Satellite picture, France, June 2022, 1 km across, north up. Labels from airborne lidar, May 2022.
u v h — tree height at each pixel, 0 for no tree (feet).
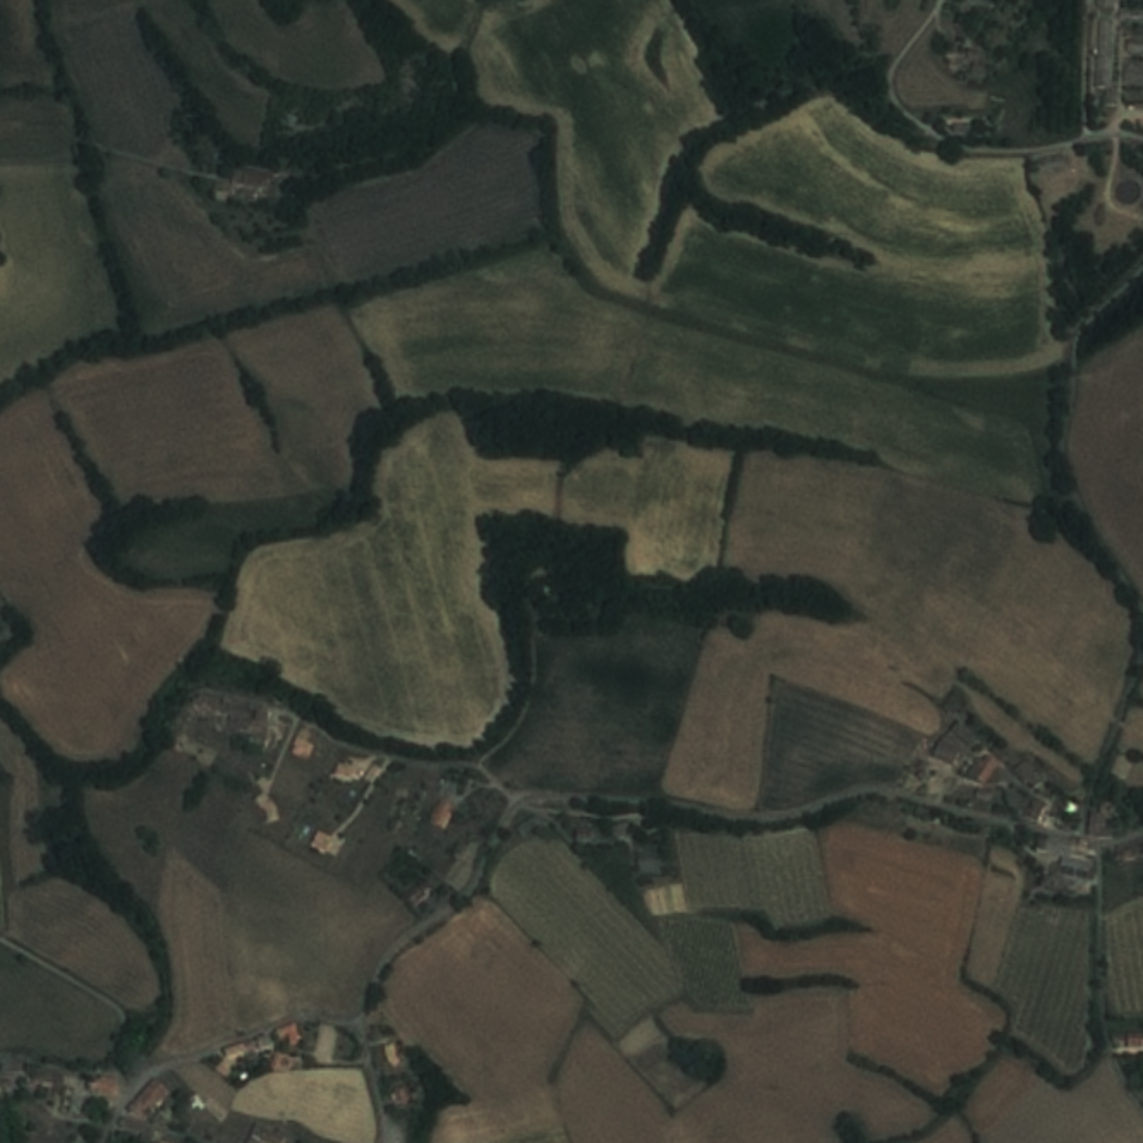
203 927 0
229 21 0
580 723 0
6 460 0
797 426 0
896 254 0
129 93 0
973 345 0
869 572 0
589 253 0
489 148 0
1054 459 51
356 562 0
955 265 0
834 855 0
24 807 0
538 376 0
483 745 48
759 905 0
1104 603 0
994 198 0
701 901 0
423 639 0
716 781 0
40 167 0
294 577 0
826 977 20
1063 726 0
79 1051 0
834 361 0
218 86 0
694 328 0
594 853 19
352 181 30
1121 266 44
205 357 0
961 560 0
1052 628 0
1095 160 33
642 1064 0
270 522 0
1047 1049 0
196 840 0
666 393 0
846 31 0
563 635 40
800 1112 0
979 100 0
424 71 35
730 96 55
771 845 0
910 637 0
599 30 0
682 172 64
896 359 0
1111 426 0
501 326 0
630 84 0
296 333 0
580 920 0
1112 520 0
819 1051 0
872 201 0
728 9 0
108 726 0
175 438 0
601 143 0
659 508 0
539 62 0
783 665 0
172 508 61
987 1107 0
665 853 31
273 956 0
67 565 0
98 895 47
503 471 0
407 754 55
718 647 0
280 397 0
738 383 0
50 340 0
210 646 21
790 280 0
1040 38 0
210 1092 0
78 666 0
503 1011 0
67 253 0
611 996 0
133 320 31
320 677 0
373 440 70
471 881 0
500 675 0
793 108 47
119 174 0
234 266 0
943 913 0
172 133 25
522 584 43
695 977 0
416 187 0
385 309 0
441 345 0
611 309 0
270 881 0
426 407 67
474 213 0
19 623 49
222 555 0
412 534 0
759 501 0
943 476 0
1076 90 44
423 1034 0
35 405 0
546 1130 0
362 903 0
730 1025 0
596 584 45
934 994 0
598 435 64
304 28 0
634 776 0
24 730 47
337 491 0
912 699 0
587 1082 0
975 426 0
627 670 0
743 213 50
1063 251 36
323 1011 0
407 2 0
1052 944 0
